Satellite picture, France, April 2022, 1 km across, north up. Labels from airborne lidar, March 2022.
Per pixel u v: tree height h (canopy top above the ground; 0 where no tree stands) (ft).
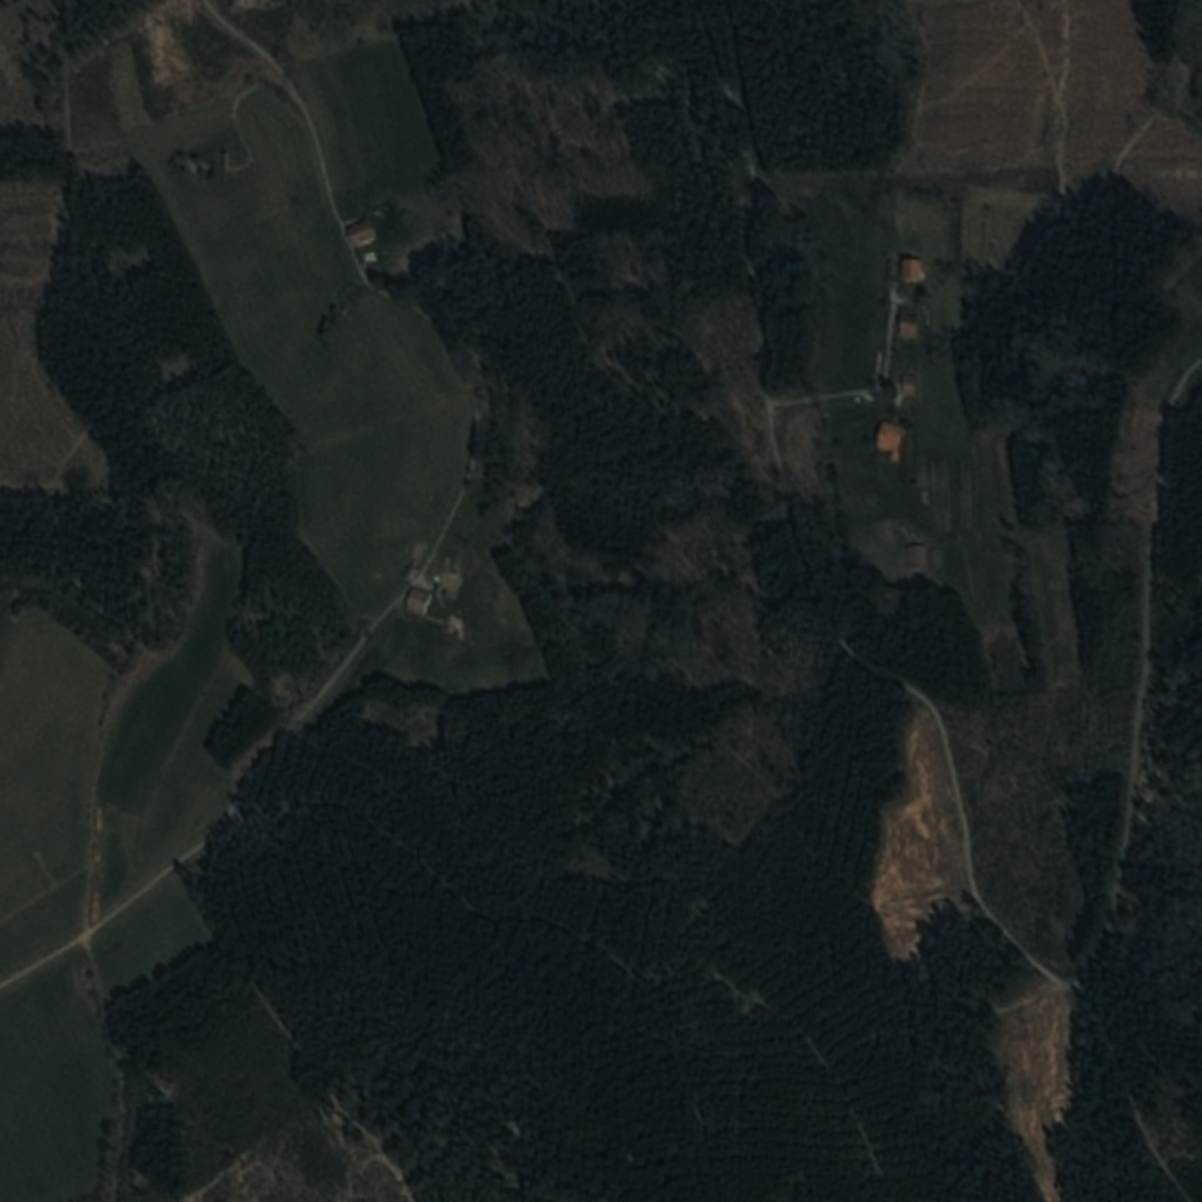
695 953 45
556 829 93
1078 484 50
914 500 0
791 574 87
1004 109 0
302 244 0
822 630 102
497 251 73
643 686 68
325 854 51
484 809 81
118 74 0
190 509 80
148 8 93
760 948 56
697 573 111
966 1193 74
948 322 0
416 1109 55
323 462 0
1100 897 61
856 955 54
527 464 59
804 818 56
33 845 0
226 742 59
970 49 0
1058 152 0
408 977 56
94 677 0
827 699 58
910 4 73
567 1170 75
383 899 65
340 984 37
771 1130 60
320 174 0
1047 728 0
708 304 85
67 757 0
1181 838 55
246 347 0
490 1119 70
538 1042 47
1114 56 0
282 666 50
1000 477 0
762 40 97
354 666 0
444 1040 41
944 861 0
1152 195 0
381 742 71
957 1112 33
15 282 84
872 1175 47
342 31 0
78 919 0
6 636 0
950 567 0
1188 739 52
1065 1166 75
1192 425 51
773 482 72
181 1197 29
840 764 56
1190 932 84
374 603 0
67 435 78
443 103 52
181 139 0
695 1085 48
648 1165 61
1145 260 86
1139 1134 80
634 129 88
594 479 64
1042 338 70
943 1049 82
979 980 98
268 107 0
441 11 0
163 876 0
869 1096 51
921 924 0
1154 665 31
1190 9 64
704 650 93
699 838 59
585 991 54
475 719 77
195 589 65
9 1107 0
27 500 69
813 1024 61
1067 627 0
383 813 49
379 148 0
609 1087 51
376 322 0
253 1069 21
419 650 0
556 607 54
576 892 56
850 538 44
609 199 91
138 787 0
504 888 72
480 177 94
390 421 0
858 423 0
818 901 55
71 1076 0
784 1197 41
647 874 68
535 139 114
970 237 0
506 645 0
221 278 0
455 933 52
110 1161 57
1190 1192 24
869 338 0
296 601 54
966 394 36
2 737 0
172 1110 29
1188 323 57
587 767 63
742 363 97
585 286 108
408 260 0
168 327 68
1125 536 83
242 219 0
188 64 0
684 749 47
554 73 82
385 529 0
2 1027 0
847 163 100
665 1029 70
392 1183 0
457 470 0
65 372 62
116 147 0
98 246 42
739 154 116
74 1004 0
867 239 0
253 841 61
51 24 31
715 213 80
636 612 88
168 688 0
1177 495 34
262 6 0
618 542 63
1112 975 46
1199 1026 65
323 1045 36
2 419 83
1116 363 42
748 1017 22
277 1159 0
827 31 91
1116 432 46
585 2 89
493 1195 68
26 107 0
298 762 59
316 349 0
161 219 59
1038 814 0
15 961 0
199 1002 57
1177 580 44
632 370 84
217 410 67
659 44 99
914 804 0
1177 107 66
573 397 68
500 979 23
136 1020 41
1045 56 0
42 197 73
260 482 55
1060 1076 0
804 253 68
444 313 78
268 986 52
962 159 0
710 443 74
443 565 0
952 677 65
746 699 66
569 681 73
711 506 81
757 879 43
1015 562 58
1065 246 90
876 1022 46
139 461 60
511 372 74
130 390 57
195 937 0
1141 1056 72
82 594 70
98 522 60
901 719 78
